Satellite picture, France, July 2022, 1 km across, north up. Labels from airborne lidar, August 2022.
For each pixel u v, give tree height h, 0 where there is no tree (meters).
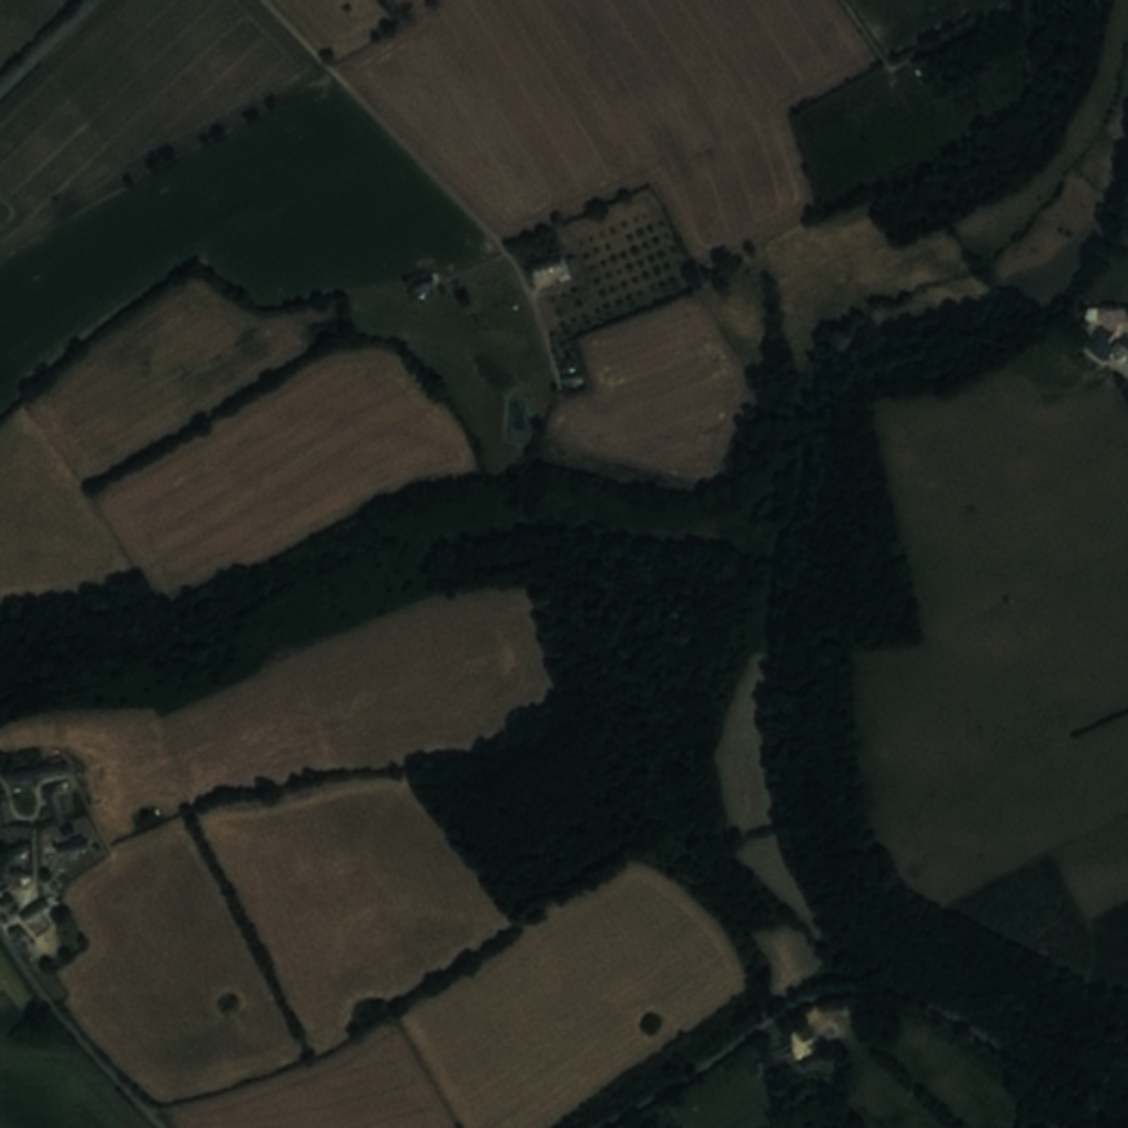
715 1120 0
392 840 0
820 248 0
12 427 0
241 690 0
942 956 16
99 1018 0
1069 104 20
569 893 13
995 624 0
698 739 17
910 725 0
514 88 0
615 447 0
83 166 0
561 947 0
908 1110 0
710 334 0
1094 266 18
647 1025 10
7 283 0
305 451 0
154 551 0
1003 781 0
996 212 0
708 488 20
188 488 0
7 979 0
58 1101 0
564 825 13
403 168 0
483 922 0
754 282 0
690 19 0
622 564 25
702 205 0
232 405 12
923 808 0
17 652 29
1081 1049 20
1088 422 0
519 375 0
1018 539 0
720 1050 6
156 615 22
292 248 0
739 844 17
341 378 0
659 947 0
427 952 0
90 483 10
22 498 0
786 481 12
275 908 0
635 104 0
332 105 0
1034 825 0
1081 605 0
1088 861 0
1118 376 8
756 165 0
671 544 14
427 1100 0
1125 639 0
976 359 22
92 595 21
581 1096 0
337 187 0
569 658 19
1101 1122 19
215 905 0
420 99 0
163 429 0
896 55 11
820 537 24
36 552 0
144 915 0
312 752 0
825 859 21
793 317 0
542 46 0
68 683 17
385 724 0
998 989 16
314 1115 0
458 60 0
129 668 9
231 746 0
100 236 0
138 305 10
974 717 0
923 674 0
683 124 0
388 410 0
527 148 0
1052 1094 25
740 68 0
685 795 20
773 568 12
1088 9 24
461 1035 0
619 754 19
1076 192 0
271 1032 0
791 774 20
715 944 0
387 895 0
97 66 0
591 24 0
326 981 0
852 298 0
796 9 0
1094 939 0
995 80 0
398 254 0
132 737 0
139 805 0
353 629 0
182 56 0
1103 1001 18
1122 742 0
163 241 0
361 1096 0
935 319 17
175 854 0
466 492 13
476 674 0
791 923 12
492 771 16
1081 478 0
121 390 0
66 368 8
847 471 26
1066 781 0
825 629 18
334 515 0
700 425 0
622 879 0
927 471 0
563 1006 0
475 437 12
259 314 9
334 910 0
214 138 11
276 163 0
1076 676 0
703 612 19
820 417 30
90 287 0
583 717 14
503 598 0
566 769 15
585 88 0
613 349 0
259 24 0
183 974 0
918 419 0
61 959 9
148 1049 0
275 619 0
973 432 0
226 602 20
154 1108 8
